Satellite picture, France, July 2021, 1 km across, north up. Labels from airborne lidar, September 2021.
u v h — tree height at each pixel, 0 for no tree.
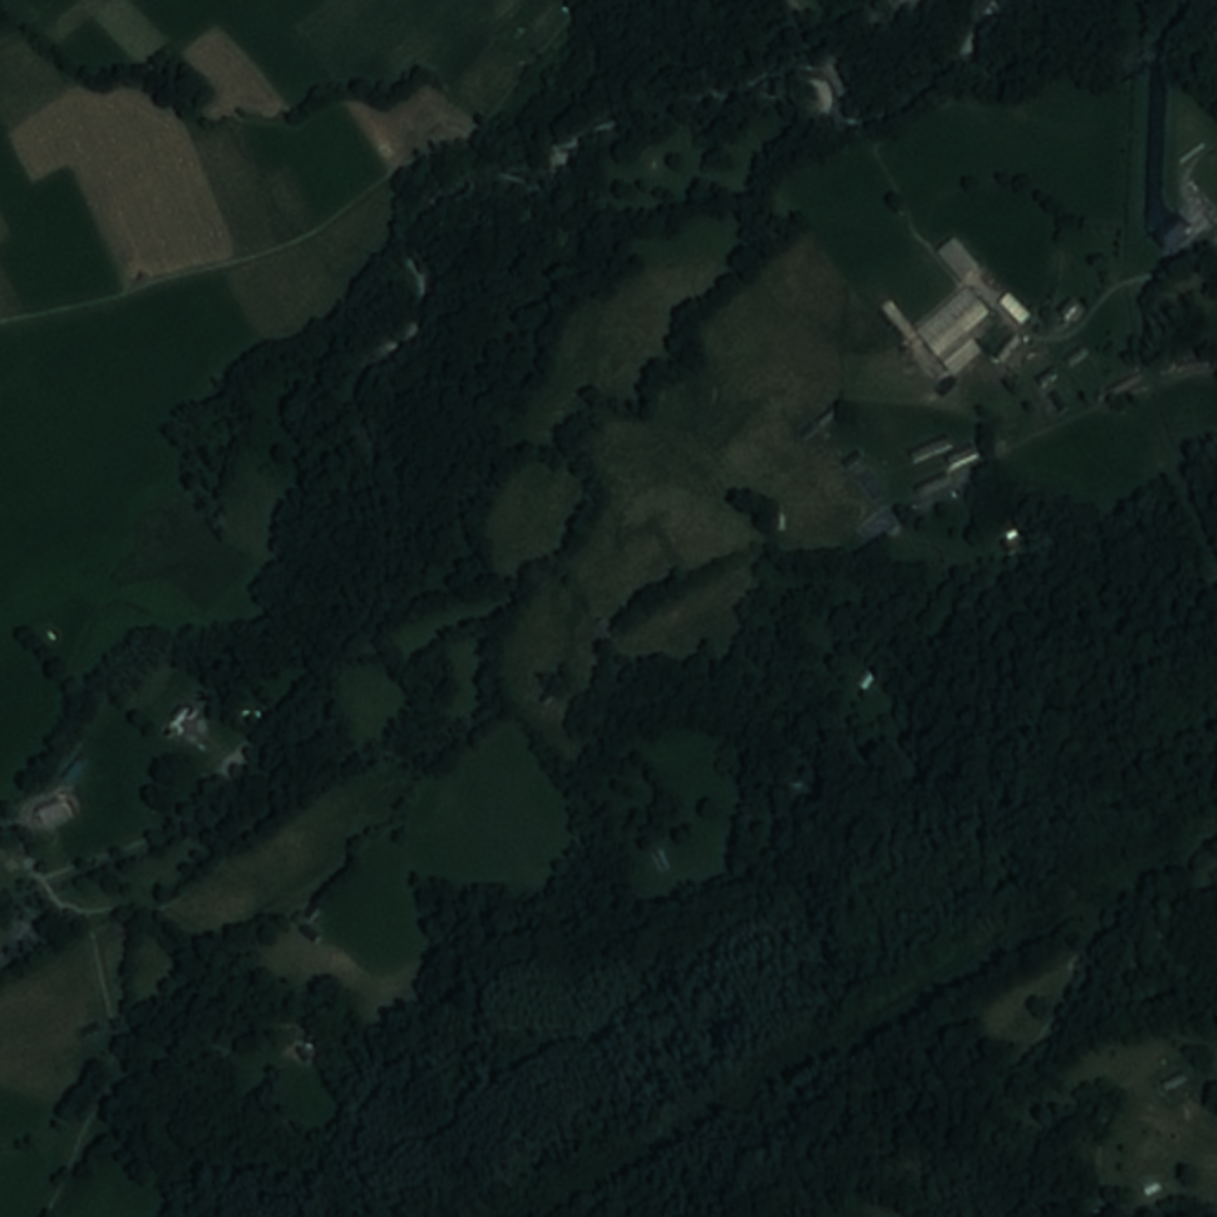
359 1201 17
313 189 0
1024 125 0
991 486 13
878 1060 18
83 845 0
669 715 18
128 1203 0
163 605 0
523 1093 22
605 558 0
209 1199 26
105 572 0
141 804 0
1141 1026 19
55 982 0
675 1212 20
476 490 25
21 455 0
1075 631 19
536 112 13
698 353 19
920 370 0
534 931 20
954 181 0
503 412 26
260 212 0
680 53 18
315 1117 0
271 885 0
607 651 23
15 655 0
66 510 0
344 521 22
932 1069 14
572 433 22
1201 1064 20
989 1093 14
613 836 16
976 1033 16
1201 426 0
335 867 0
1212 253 18
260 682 23
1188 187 0
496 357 24
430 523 17
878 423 0
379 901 0
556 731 0
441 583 0
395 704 0
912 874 28
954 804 32
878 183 0
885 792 23
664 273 0
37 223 0
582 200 11
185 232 0
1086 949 17
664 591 22
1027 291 0
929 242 0
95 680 19
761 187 19
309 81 0
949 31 22
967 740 22
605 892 24
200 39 0
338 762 16
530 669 0
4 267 0
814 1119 25
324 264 0
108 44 0
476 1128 23
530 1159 17
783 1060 14
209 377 0
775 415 0
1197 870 14
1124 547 23
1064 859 31
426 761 18
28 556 0
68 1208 0
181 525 0
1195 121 0
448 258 22
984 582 18
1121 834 24
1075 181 0
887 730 5
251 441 8
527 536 0
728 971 33
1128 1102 8
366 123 0
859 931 28
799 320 0
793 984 29
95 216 0
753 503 27
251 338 0
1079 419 0
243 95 0
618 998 34
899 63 22
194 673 20
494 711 19
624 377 0
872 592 7
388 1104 26
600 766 15
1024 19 21
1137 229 0
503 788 0
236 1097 10
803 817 25
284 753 21
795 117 24
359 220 0
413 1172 30
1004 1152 27
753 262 26
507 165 11
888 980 22
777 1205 30
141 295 0
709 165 15
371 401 17
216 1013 24
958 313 0
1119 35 16
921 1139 8
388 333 18
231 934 19
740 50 23
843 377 0
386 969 0
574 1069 22
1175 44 19
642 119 17
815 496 0
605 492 19
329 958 0
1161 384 0
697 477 0
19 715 0
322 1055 9
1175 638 18
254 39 0
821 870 25
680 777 0
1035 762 26
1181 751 9
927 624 18
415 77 16
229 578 0
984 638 23
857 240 0
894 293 0
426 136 0
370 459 17
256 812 18
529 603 19
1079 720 21
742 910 23
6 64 0
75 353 0
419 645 0
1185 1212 12
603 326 0
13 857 0
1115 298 0
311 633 20
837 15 17
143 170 0
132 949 14
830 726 20
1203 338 10
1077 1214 17
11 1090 0
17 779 0
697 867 0
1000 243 0
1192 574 20
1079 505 18
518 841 0
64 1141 0
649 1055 23
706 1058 35
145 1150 21
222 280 0
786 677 13
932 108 16
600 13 15
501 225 25
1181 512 25
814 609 6
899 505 12
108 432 0
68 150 0
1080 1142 19
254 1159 8
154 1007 17
